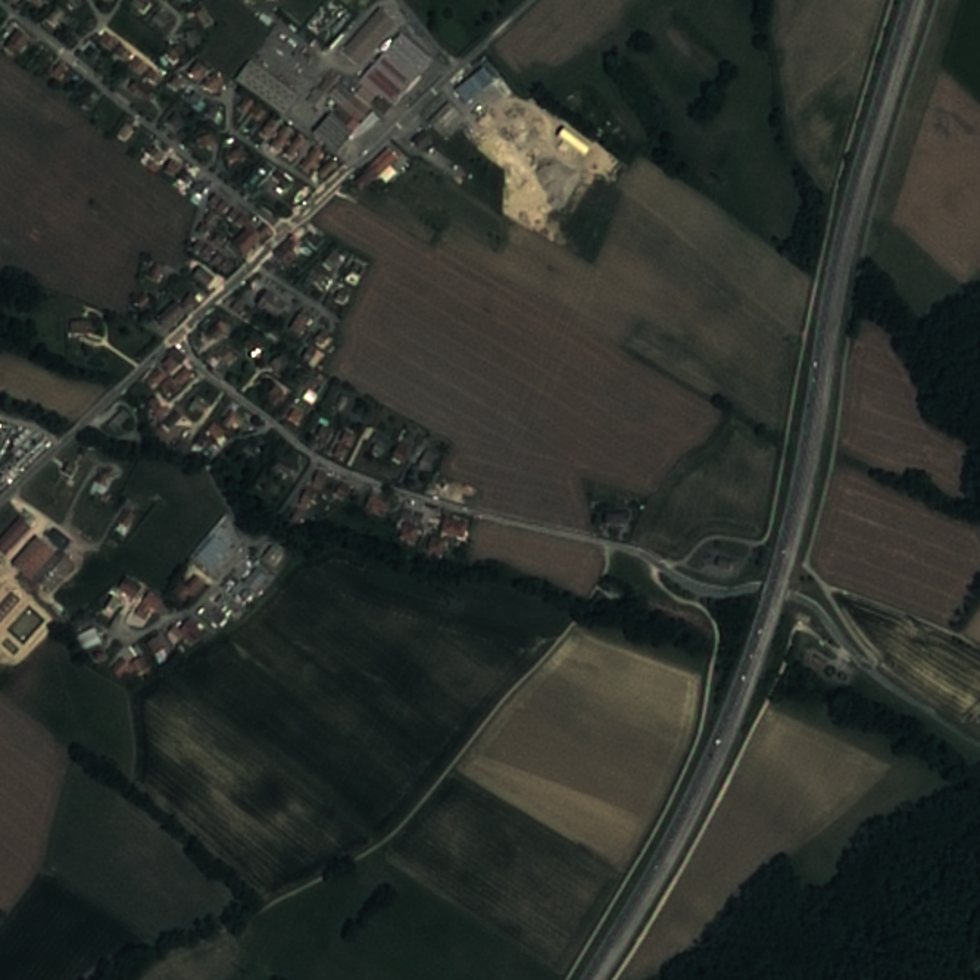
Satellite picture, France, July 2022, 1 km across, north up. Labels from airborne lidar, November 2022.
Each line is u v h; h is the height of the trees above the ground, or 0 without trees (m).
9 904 0
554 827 0
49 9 9
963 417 26
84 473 0
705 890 0
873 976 20
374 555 20
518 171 0
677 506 0
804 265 12
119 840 0
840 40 0
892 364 0
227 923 18
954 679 0
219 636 0
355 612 0
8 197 0
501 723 0
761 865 0
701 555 0
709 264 0
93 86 6
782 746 0
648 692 0
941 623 0
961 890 19
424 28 0
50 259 0
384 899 19
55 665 0
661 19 0
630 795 0
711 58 0
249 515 23
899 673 0
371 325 0
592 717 0
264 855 0
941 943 18
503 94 0
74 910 0
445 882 0
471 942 0
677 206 0
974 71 0
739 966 25
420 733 0
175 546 0
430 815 0
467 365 0
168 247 0
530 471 0
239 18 0
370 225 0
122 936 0
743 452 0
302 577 0
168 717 0
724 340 0
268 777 0
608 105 0
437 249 0
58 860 0
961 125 0
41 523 0
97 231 0
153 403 0
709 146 0
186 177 0
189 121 7
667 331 0
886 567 0
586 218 0
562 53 0
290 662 0
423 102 0
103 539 0
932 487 22
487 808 0
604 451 0
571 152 0
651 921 0
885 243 0
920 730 21
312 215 0
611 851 0
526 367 0
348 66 0
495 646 0
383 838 0
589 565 0
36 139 0
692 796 0
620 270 0
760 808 0
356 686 0
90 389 0
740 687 0
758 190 0
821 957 22
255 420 8
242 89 11
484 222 0
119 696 0
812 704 0
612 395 0
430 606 0
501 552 0
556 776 0
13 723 0
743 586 0
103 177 0
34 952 0
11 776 0
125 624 0
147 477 0
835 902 21
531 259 0
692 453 0
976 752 0
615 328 0
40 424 15
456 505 0
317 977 0
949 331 23
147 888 0
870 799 0
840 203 0
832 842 0
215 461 6
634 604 20
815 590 0
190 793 0
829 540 0
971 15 0
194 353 0
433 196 0
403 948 0
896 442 0
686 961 20
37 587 0
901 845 21
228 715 0
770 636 0
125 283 0
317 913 0
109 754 0
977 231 0
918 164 0
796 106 0
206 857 21
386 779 0
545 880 0
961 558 0
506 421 0
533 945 0
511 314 0
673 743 0
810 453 0
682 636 16
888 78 0
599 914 0
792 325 0
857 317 7
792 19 0
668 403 0
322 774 0
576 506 0
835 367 0
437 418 0
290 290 0
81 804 0
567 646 0
